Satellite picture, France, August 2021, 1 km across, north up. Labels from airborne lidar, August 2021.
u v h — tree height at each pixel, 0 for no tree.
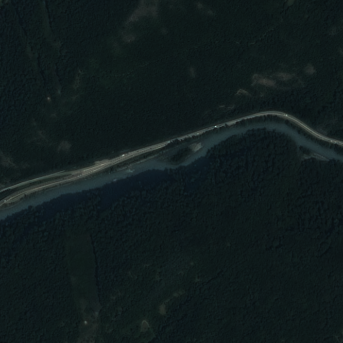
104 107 17
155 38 8
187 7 7
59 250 16
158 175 20
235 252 17
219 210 24
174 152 0
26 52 18
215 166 13
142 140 16
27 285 18
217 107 12
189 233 20
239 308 18
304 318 12
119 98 13
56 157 8
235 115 21
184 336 14
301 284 16
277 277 17
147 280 19
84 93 9
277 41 12
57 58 12
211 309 16
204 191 19
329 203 14
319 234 26
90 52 8
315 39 16
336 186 20
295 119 0
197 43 12
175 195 19
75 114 10
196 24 10
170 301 10
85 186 0
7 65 13
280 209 17
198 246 20
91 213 25
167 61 10
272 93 10
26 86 21
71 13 16
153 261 6
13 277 20
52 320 15
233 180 30
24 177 13
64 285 13
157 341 21
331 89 25
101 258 17
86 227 16
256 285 13
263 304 15
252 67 11
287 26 7
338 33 6
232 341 14
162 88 14
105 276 18
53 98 7
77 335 12
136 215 19
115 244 19
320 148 0
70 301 10
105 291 13
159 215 17
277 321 12
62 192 0
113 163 0
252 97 12
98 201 18
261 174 25
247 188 30
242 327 22
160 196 15
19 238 19
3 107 16
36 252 15
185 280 13
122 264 15
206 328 12
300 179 18
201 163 10
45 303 18
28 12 18
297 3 11
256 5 14
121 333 13
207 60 9
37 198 0
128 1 17
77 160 25
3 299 18
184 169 16
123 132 12
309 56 14
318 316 19
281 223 31
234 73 16
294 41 9
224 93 10
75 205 14
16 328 12
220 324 17
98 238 15
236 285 15
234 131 0
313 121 8
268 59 6
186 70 10
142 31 8
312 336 16
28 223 19
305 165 13
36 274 15
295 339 13
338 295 20
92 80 16
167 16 8
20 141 11
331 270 19
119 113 14
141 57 13
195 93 7
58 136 12
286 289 18
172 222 20
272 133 15
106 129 17
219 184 20
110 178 0
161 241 17
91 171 0
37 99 13
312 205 9
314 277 17
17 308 19
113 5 12
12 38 18
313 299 18
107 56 7
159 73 12
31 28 12
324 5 10
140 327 6
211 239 15
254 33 16
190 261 7
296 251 20
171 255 11
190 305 21
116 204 27
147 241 17
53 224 15
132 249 20
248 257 22
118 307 15
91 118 12
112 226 25
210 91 14
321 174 32
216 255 8
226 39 15
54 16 18
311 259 21
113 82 10
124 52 8
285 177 15
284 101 22
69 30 12
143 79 9
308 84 14
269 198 10
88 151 13
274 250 22
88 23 13
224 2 8
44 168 9
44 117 10
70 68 15
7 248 16
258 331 15
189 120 11
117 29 8
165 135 10
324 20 21
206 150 0
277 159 22
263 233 20
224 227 17
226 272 20
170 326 25
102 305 10
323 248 22
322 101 24
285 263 20
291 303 14
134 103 15
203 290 24
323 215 25
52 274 12
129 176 0
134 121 14
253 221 13
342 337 9
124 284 12
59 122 9
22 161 8
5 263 21
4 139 11
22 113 14
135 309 14
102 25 13
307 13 12
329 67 17
